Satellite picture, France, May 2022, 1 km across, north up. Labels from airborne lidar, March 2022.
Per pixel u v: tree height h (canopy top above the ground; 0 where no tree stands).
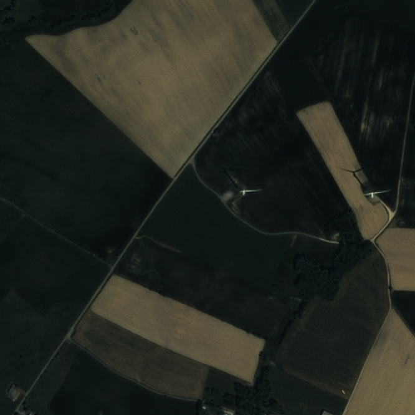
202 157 0
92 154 0
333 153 0
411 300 0
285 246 0
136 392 0
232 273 0
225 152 0
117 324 0
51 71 0
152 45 0
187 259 0
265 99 0
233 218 0
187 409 0
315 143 0
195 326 0
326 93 0
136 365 0
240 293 0
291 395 0
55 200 0
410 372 0
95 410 0
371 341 0
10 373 0
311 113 0
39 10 0
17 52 0
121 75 0
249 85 0
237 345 0
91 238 0
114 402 0
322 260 0
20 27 0
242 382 0
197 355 0
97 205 0
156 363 0
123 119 0
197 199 0
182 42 0
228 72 0
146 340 0
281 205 0
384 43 0
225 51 0
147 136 0
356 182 0
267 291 0
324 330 0
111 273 0
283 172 0
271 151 0
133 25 0
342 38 0
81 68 0
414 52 0
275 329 0
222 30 0
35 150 0
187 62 0
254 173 0
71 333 0
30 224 0
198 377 0
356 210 0
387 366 0
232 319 0
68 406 0
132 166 0
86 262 0
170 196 0
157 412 0
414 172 0
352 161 0
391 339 0
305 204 0
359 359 0
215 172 0
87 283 0
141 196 0
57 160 0
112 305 0
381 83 0
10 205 0
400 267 0
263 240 0
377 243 0
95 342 0
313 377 0
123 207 0
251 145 0
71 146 0
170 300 0
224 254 0
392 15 0
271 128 0
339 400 0
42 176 0
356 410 0
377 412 0
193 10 0
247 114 0
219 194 0
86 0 0
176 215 0
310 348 0
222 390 0
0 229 0
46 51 0
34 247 0
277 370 0
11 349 0
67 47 0
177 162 0
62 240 0
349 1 0
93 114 0
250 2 0
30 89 0
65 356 0
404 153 0
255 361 0
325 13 0
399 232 0
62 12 0
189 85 0
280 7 0
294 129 0
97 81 0
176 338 0
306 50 0
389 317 0
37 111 0
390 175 0
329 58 0
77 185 0
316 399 0
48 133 0
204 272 0
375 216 0
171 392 0
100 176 0
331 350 0
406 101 0
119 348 0
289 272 0
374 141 0
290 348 0
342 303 0
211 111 0
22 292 0
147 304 0
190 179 0
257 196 0
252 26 0
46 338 0
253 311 0
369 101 0
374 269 0
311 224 0
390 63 0
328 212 0
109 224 0
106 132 0
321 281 25
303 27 0
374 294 0
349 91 0
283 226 0
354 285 0
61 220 0
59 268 0
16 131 0
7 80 0
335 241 0
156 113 0
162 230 0
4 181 0
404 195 0
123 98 0
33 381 0
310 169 0
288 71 0
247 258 0
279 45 0
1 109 0
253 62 0
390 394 0
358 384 0
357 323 0
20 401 0
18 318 0
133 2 0
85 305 0
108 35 0
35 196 0
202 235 0
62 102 0
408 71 0
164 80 0
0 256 0
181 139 0
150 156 0
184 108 0
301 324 0
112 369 0
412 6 0
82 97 0
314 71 0
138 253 0
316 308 0
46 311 0
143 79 0
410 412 0
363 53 0
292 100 0
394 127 0
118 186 0
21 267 0
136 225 0
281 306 0
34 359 0
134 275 0
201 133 0
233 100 0
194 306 0
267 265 0
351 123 0
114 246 0
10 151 0
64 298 0
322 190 0
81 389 0
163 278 0
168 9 0
